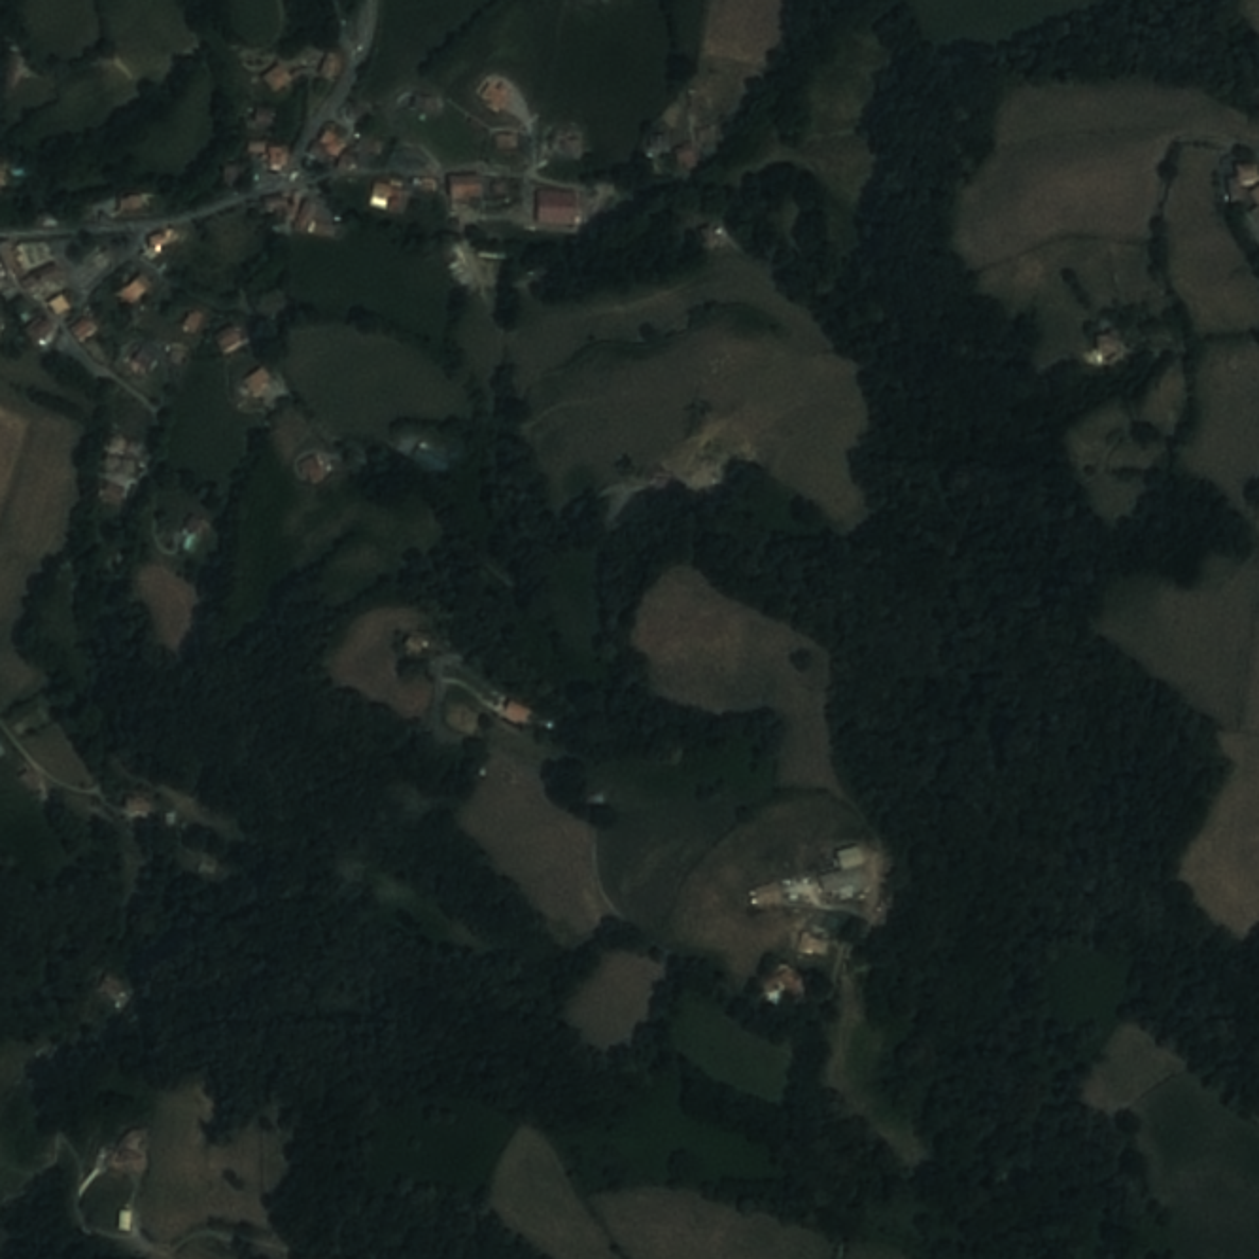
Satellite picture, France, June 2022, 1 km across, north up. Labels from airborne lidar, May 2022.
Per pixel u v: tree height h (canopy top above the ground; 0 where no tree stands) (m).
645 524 8
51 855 0
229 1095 24
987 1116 20
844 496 0
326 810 16
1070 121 0
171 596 0
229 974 22
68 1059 19
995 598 17
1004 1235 25
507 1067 18
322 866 21
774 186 19
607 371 0
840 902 0
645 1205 0
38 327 0
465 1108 0
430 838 20
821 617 19
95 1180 0
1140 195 0
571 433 0
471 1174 0
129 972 9
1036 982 17
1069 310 0
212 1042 29
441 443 0
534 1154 0
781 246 18
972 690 8
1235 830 0
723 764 0
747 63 0
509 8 0
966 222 0
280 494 0
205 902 31
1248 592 0
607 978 0
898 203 33
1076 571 22
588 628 0
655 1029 14
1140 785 21
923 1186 17
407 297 0
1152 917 20
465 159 0
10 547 0
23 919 24
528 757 0
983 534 19
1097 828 14
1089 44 23
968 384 19
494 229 0
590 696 22
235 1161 0
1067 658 19
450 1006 14
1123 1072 0
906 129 22
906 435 17
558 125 0
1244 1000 19
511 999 20
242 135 10
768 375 0
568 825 0
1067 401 16
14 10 20
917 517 18
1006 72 24
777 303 0
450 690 0
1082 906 19
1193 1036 15
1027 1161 21
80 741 20
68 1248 16
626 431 0
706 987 18
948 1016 22
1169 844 16
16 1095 0
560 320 0
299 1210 16
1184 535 7
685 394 0
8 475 0
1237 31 10
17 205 7
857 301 23
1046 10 0
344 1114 11
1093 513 10
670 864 0
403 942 24
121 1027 15
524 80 0
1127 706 15
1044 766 18
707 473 0
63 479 0
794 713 0
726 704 0
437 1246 10
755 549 8
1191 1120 0
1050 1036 10
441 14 0
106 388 18
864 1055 0
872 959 18
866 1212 17
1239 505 0
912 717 16
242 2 0
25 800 0
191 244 0
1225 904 0
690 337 0
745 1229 0
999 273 0
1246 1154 0
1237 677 0
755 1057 0
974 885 19
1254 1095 21
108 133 16
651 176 12
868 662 15
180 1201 0
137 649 23
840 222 0
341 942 18
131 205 0
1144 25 24
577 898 0
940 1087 18
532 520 25
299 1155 14
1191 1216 0
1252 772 0
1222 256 0
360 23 0
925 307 25
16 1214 11
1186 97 0
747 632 0
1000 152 0
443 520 15
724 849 0
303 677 17
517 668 23
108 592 11
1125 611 0
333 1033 23
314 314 20
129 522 15
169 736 26
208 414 0
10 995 27
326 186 8
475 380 12
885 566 25
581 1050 20
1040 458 10
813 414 0
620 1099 17
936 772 16
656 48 0
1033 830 14
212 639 22
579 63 0
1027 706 30
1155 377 10
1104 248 0
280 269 7
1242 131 0
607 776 0
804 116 6
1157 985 15
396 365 0
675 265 19
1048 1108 11
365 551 0
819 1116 15
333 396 0
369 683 0
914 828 15
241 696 17
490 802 0
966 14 0
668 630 0
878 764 27
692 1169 8
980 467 25
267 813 20
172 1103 0
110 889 17
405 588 15
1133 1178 11
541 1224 0
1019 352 7
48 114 7
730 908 0
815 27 30
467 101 0
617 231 31
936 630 27
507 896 21
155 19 0
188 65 20
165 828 10
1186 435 9
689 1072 15
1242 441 0
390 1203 10
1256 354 0
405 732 11
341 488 0
